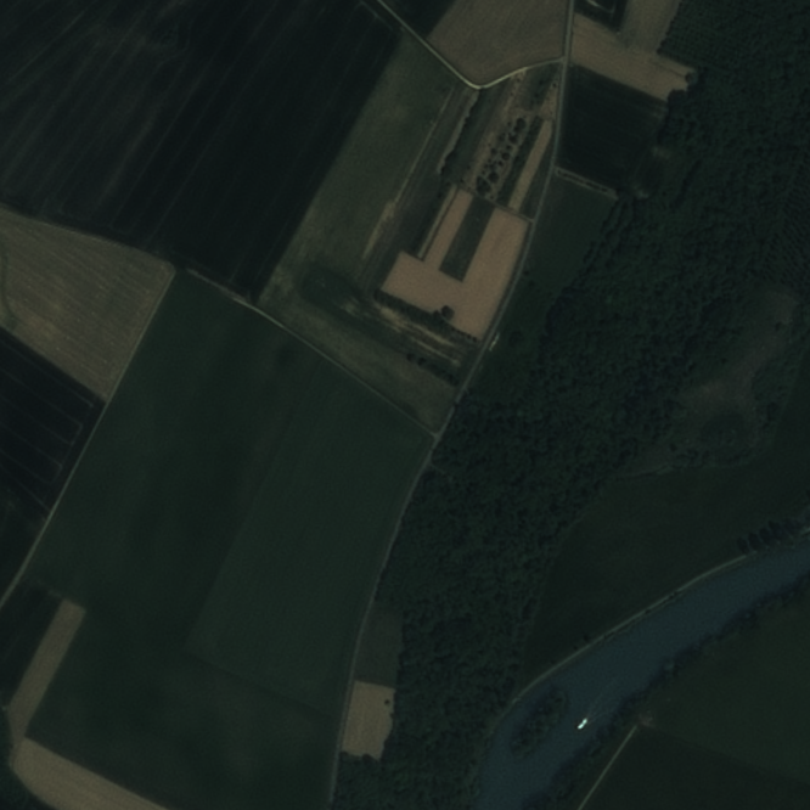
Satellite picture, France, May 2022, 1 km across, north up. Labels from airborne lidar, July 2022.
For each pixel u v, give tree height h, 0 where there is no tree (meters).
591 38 0
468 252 0
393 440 0
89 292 0
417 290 0
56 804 0
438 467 13
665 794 0
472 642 25
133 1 0
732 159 23
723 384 0
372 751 0
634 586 0
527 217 0
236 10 0
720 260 17
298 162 0
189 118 0
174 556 0
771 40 21
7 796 18
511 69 0
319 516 0
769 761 0
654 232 20
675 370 22
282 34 0
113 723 0
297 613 0
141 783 0
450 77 0
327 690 0
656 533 0
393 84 0
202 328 0
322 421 0
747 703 0
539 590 6
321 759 0
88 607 0
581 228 0
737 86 23
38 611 0
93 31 0
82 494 0
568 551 0
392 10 0
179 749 0
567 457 23
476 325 0
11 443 0
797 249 14
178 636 0
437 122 0
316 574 0
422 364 11
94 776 0
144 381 0
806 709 0
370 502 0
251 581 0
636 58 0
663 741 0
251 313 0
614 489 0
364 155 0
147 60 0
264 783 0
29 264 0
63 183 0
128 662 0
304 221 0
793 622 0
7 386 0
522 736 25
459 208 0
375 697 0
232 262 0
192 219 0
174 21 0
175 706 0
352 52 0
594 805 0
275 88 0
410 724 24
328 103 0
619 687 0
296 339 0
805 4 6
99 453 0
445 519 12
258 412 0
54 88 0
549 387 22
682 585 0
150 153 0
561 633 0
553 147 0
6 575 0
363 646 0
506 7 0
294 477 0
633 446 15
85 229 0
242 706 0
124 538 0
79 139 0
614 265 24
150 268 0
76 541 0
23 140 0
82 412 0
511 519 27
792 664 0
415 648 21
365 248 0
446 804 24
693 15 6
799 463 0
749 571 0
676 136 17
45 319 0
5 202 0
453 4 0
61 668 0
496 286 0
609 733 13
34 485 0
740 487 0
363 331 0
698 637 0
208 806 0
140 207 0
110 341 0
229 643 0
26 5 0
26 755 0
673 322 19
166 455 0
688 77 9
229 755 0
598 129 0
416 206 0
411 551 17
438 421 0
